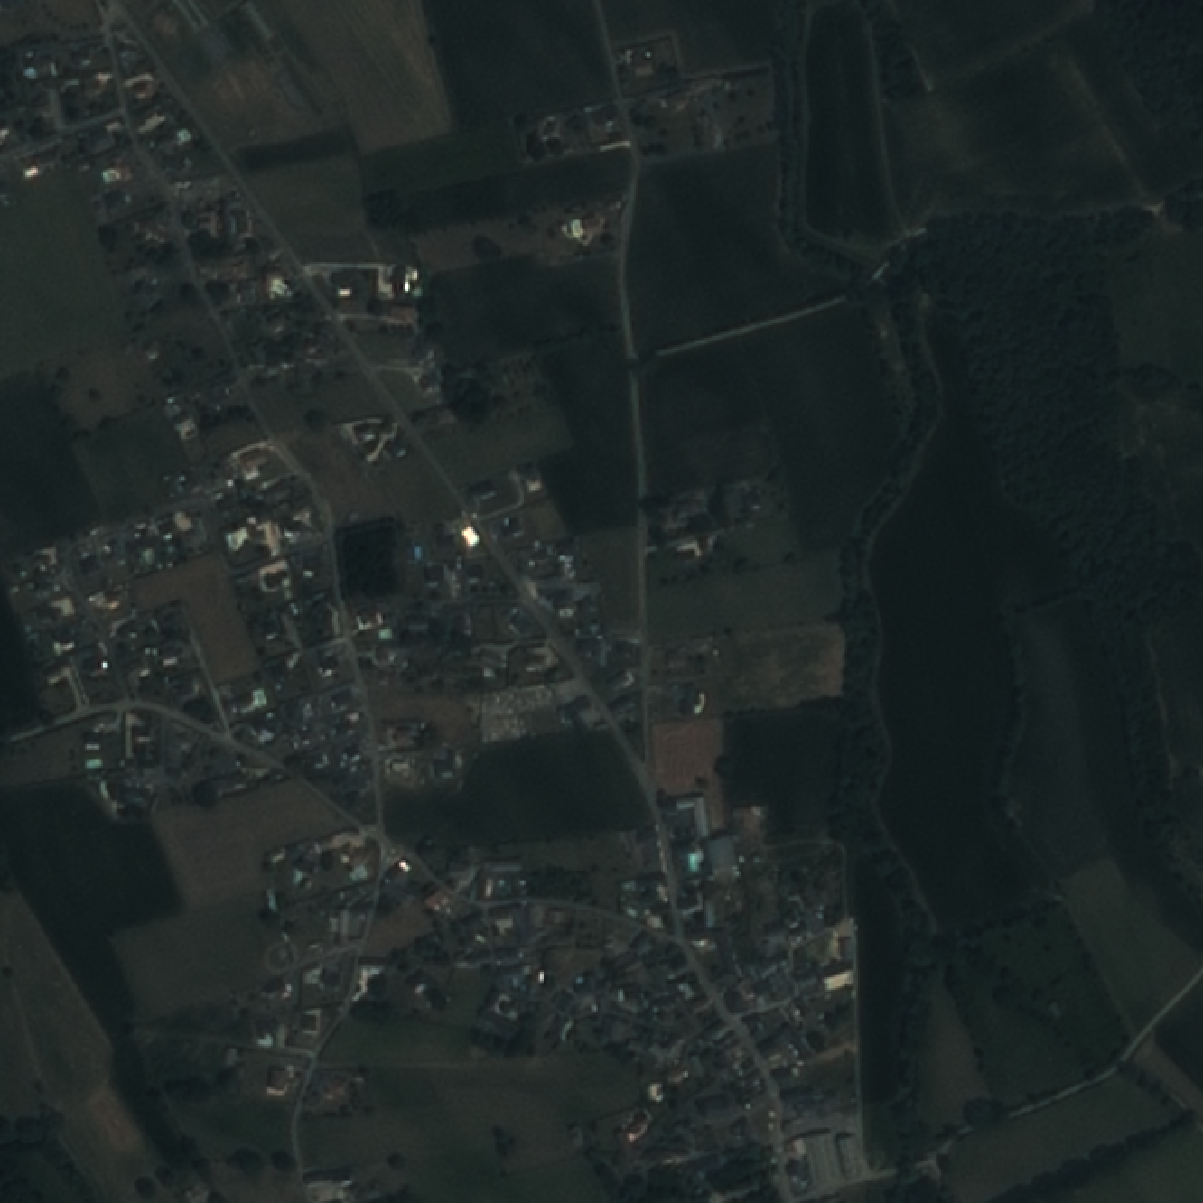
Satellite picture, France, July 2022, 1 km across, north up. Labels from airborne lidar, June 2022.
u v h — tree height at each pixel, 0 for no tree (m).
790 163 13
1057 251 20
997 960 8
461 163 0
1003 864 0
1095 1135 0
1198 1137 0
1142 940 0
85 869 0
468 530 0
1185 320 0
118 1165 0
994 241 20
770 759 0
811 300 7
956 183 0
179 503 0
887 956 0
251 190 0
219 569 0
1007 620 11
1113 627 22
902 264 14
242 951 0
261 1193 0
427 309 15
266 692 0
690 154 0
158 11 0
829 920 5
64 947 0
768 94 0
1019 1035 0
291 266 0
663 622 0
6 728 16
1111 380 24
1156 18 28
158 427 0
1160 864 0
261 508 9
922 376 16
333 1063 0
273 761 0
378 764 0
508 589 8
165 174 0
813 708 13
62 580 0
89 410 0
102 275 0
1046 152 0
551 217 0
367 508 0
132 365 0
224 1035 0
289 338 9
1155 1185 0
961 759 0
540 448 0
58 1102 0
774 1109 0
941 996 0
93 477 0
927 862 0
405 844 0
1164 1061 0
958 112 0
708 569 12
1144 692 18
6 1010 0
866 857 0
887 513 12
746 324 8
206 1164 12
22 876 0
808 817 0
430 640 6
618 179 0
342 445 0
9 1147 19
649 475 0
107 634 0
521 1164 0
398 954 11
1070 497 18
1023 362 29
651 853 0
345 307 0
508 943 0
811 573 0
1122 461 14
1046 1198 16
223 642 0
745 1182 10
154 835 0
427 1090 0
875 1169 0
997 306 23
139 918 0
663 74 7
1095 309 24
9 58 14
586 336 8
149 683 6
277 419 0
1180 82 22
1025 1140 0
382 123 0
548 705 0
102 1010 0
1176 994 0
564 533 0
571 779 0
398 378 0
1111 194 0
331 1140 0
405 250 0
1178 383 15
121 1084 0
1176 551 19
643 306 0
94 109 6
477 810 0
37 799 0
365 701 0
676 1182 8
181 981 0
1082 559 15
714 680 0
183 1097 15
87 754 0
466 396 20
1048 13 0
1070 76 0
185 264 0
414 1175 0
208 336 0
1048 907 12
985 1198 0
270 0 0
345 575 6
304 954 0
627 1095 0
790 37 21
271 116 0
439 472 0
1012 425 17
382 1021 16
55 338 0
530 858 0
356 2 0
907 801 0
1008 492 10
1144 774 18
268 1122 0
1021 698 11
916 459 12
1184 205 15
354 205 0
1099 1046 0
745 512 7
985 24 0
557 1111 0
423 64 0
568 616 0
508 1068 0
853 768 15
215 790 12
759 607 0
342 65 0
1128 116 0
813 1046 11
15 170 0
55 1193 0
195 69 0
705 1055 6
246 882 0
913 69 17
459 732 0
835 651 0
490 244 12
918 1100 10
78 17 0
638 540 0
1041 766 0
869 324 9
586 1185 0
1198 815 0
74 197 0
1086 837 0
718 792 0
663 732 0
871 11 20
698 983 12
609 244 14
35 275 0
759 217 0
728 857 0
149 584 0
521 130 7
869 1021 0
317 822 0
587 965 0
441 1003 10
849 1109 0
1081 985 0
